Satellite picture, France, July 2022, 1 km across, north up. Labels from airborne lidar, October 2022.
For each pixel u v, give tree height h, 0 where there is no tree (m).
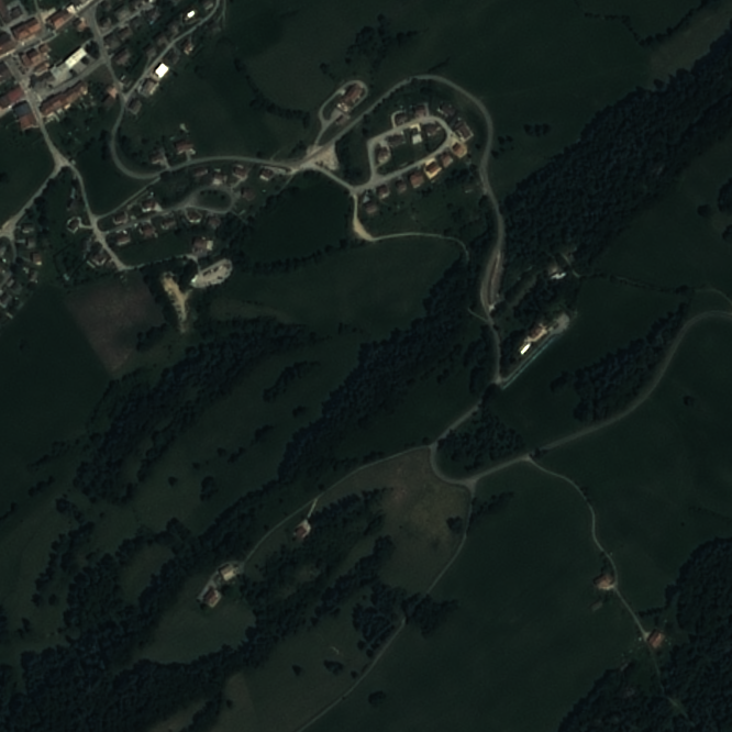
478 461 13
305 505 0
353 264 0
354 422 9
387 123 0
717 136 20
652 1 0
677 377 0
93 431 7
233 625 0
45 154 0
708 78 24
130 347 0
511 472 0
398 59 0
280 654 0
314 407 0
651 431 0
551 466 0
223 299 0
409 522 0
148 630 22
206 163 0
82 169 0
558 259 17
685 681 24
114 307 0
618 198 17
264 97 9
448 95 0
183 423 15
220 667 18
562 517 0
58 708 26
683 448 0
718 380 0
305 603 14
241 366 21
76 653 7
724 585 16
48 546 0
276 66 0
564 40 0
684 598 19
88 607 23
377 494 11
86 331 0
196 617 0
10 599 0
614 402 22
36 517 0
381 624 21
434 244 0
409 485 0
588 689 0
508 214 16
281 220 0
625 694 22
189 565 23
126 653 24
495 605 0
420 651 0
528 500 0
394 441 0
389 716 0
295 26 0
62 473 0
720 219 0
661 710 26
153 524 0
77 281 6
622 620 0
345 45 0
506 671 0
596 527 0
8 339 0
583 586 0
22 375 0
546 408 0
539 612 0
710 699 20
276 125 0
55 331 0
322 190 0
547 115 0
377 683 0
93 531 15
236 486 0
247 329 19
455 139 0
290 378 17
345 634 0
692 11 7
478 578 0
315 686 0
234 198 0
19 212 0
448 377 12
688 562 0
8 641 24
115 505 6
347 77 0
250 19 0
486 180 0
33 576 0
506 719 0
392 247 0
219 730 0
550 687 0
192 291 0
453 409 0
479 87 0
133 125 0
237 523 13
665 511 0
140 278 0
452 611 15
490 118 0
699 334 0
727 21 0
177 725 0
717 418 0
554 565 0
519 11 0
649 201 18
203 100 0
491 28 0
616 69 0
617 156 19
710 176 0
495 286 0
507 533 0
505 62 0
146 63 0
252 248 0
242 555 12
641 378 7
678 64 0
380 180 0
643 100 29
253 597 18
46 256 0
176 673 24
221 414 0
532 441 0
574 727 24
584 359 0
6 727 8
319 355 0
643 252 0
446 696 0
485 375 18
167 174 10
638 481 0
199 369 25
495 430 14
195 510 0
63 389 0
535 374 0
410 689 0
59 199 0
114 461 22
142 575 0
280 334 19
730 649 14
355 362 0
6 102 0
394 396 24
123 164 0
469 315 6
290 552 8
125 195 0
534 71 0
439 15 0
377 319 0
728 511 0
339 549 8
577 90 0
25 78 0
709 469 0
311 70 0
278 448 0
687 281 0
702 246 0
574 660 0
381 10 0
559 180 21
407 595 6
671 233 0
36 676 19
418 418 0
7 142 0
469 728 0
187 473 0
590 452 0
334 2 0
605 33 0
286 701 0
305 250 0
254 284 0
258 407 0
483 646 0
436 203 0
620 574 0
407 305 0
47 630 0
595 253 14
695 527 0
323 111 0
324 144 0
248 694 0
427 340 25
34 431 0
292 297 0
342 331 9
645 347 21
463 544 0
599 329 0
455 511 0
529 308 6
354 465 8
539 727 0
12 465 0
